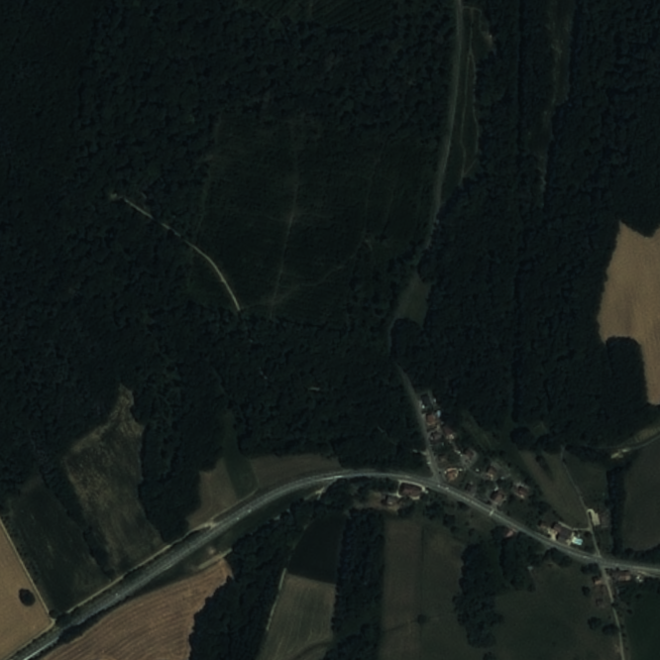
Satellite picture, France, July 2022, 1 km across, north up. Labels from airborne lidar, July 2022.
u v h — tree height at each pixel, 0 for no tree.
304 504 14
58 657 0
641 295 0
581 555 0
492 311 29
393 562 0
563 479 0
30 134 17
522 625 0
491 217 27
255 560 28
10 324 29
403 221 8
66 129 20
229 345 26
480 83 12
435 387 15
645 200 22
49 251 22
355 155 5
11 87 23
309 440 25
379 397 21
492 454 7
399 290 27
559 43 0
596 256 25
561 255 24
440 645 0
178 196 30
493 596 21
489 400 27
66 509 14
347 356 23
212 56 25
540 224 12
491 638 16
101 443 0
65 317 26
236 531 0
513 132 15
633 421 22
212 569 0
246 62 25
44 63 22
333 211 6
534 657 0
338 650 6
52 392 21
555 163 23
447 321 25
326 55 26
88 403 23
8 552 0
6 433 23
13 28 23
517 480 0
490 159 25
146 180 27
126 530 0
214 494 0
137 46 28
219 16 24
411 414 27
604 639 0
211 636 28
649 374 0
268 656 0
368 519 7
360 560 12
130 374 24
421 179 8
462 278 25
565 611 0
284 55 29
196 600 0
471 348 25
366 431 25
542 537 0
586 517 0
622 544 6
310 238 9
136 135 27
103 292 27
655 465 0
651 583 12
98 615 10
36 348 27
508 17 26
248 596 26
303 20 6
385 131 25
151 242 21
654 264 0
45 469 21
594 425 20
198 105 24
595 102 28
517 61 23
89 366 26
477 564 25
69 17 13
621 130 32
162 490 22
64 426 19
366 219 6
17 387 21
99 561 19
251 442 24
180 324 23
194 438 22
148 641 0
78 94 15
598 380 20
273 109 30
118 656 0
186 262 27
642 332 0
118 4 28
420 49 21
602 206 22
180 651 0
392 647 0
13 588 0
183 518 15
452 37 27
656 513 0
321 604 0
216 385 26
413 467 8
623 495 11
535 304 23
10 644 0
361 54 25
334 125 23
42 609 0
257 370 22
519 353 16
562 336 23
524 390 27
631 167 20
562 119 21
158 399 24
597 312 18
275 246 6
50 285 13
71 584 0
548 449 22
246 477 0
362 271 7
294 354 19
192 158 26
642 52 33
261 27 28
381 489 12
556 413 23
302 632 0
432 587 0
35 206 21
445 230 23
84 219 26
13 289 24
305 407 26
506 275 30
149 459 23
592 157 22
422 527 0
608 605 0
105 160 28
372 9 6
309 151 7
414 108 20
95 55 29
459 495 0
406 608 0
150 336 28
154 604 0
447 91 26
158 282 23
